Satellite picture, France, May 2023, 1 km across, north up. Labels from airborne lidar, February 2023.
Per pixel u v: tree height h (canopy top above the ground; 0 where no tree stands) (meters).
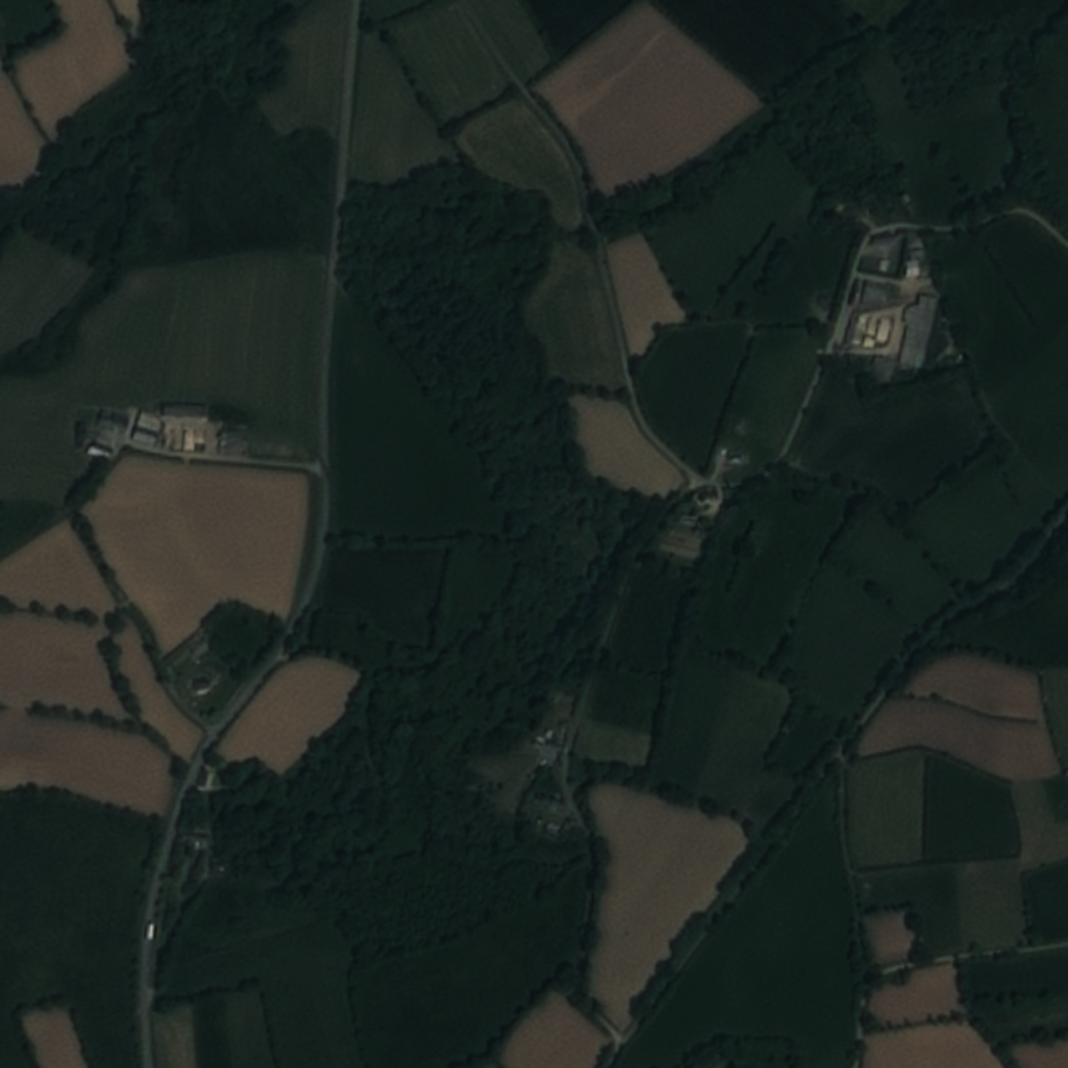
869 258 0
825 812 0
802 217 0
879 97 0
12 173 0
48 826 0
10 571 0
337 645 0
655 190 15
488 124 0
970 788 0
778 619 0
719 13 0
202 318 0
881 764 0
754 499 12
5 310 0
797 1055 9
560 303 0
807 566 0
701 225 0
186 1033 0
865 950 10
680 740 0
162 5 10
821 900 0
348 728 6
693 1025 0
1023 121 15
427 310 11
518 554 16
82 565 0
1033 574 15
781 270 16
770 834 12
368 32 14
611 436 0
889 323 0
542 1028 0
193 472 0
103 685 0
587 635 24
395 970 0
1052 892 0
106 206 17
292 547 0
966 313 0
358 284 10
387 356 0
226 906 0
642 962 0
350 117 0
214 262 0
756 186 0
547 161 0
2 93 0
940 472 0
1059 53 0
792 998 0
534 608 8
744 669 14
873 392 11
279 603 0
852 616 0
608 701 0
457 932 8
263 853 13
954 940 0
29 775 0
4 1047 0
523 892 6
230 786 17
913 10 11
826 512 0
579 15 0
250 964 0
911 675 12
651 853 0
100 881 0
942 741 0
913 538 11
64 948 0
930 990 0
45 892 0
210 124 0
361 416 0
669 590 0
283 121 0
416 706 9
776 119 15
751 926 0
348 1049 0
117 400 0
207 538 0
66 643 0
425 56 0
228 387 0
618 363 0
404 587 0
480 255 16
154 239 0
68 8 0
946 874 0
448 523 0
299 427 0
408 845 0
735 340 0
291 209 0
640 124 0
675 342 0
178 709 0
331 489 0
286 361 0
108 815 8
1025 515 0
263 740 0
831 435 0
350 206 10
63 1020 0
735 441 0
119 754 0
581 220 0
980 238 13
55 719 12
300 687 0
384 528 0
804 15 0
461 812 7
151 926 0
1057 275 0
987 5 0
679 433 0
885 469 0
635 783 15
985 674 0
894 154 0
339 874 15
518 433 10
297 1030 0
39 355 11
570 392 11
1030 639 0
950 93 9
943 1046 0
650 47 0
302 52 0
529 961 0
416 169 0
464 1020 0
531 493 16
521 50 0
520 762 0
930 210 0
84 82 0
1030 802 0
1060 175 0
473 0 0
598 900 8
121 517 0
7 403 0
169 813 0
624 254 0
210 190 0
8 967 0
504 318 11
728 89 0
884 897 0
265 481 0
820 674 0
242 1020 0
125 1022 0
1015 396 0
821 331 18
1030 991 0
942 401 0
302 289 0
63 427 0
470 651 21
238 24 10
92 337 0
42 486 0
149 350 0
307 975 0
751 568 0
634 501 16
